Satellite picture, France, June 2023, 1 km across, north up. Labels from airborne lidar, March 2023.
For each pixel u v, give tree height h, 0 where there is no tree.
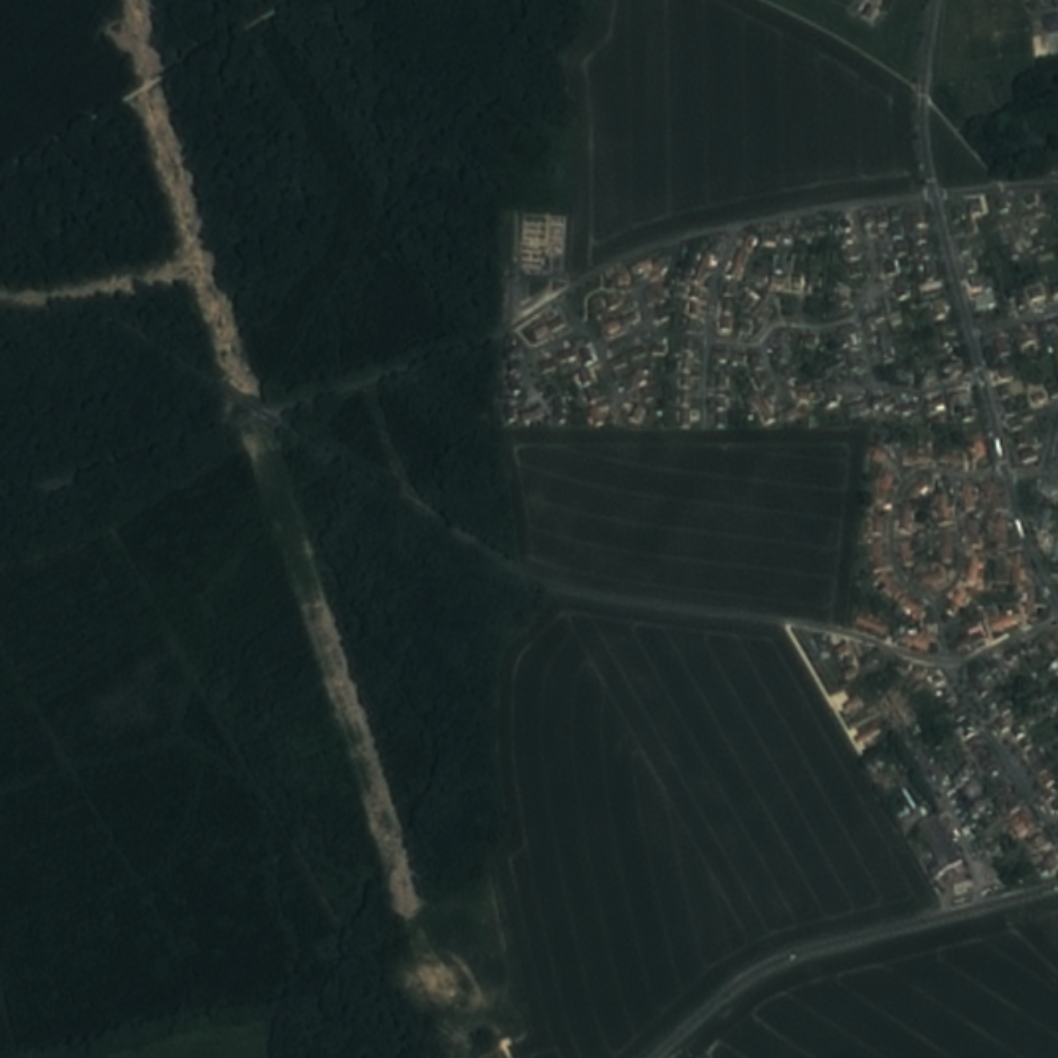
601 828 0
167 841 7
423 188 29
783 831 0
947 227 0
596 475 0
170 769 6
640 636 0
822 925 0
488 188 22
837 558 0
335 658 0
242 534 6
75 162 25
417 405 17
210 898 6
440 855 22
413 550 25
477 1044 13
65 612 8
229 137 26
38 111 11
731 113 0
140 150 20
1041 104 18
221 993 10
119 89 12
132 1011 10
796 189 0
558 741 0
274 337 8
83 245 22
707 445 0
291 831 9
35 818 7
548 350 0
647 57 0
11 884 6
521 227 0
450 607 23
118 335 22
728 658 0
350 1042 21
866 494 10
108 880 7
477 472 16
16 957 7
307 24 20
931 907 0
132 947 7
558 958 0
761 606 0
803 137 0
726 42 0
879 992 0
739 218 0
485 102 25
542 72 21
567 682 0
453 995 0
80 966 8
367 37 20
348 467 15
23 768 7
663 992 0
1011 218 0
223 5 27
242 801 7
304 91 10
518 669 0
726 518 0
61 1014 8
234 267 26
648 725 0
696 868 0
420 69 20
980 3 0
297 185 27
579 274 0
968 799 8
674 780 0
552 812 0
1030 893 0
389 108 26
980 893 0
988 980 0
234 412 0
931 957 0
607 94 0
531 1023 0
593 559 0
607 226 0
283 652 7
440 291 18
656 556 0
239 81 25
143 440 22
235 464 6
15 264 20
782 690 0
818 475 0
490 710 18
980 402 6
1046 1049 0
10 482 23
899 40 0
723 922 0
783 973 0
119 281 0
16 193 26
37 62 16
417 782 13
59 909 8
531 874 0
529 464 0
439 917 0
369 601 19
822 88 0
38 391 22
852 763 0
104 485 22
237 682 16
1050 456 0
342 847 9
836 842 0
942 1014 0
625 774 0
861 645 0
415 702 18
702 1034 0
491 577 21
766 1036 0
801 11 0
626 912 0
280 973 7
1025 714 8
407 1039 9
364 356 8
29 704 6
